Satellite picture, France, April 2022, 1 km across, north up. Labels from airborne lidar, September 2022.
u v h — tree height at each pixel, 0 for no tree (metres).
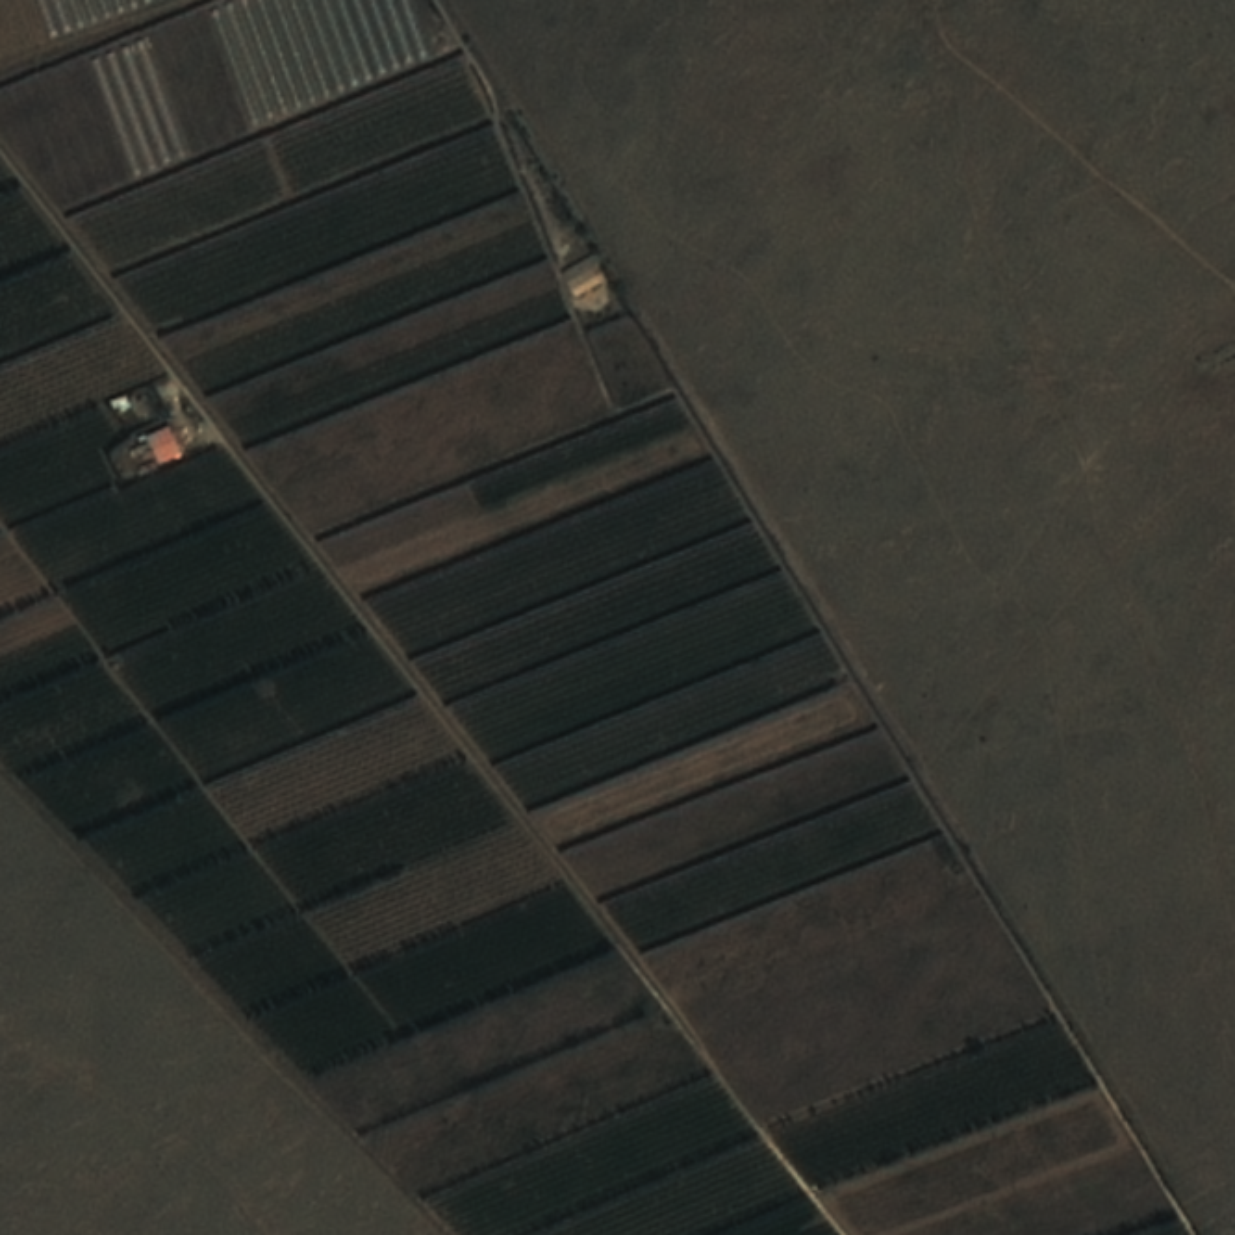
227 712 0
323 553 0
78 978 0
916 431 0
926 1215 0
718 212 0
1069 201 0
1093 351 0
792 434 0
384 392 7
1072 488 0
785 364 0
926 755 0
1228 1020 0
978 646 0
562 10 0
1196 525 0
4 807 0
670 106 0
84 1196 0
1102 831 0
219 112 0
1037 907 0
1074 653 0
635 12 0
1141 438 0
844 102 0
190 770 0
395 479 0
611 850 0
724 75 0
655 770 0
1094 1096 0
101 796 0
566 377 0
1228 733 0
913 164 0
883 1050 0
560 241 0
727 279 0
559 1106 0
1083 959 0
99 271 0
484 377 0
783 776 0
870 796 7
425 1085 0
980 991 0
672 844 0
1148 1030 0
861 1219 0
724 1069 0
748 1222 12
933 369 0
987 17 0
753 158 0
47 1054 0
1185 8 0
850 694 0
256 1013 12
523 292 0
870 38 0
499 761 7
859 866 7
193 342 0
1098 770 0
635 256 0
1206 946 0
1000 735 0
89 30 0
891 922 0
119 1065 0
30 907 0
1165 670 0
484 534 0
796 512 0
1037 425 0
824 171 0
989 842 0
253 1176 0
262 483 0
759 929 0
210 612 13
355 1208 0
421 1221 0
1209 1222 0
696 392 0
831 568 0
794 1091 0
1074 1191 0
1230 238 0
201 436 0
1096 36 0
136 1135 0
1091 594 0
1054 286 0
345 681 0
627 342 0
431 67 6
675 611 7
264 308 0
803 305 0
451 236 0
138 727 13
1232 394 0
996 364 0
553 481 0
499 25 0
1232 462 0
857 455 0
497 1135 0
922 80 0
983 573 0
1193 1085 0
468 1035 0
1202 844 0
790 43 0
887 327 0
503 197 6
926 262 0
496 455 0
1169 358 0
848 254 0
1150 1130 0
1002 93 0
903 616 0
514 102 0
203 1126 0
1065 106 0
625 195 0
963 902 0
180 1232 0
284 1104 0
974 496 0
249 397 0
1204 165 0
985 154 0
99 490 7
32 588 0
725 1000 0
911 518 0
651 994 0
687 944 0
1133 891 0
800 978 0
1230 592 0
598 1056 0
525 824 0
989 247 0
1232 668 0
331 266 6
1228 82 0
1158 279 0
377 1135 0
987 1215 0
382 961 13
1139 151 0
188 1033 0
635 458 0
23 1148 0
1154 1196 0
